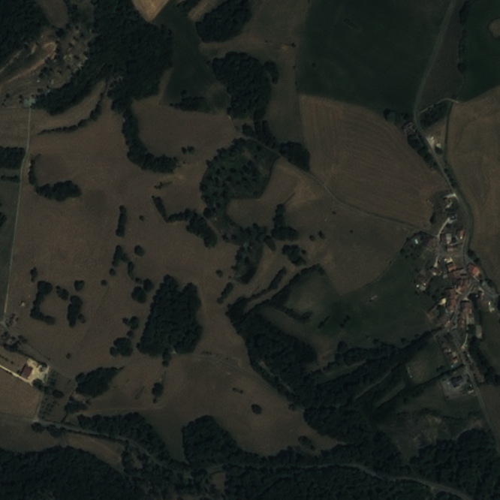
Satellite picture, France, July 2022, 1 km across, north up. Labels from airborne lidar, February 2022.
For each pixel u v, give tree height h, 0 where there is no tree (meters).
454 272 0
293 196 0
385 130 0
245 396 0
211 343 0
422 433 0
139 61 21
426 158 15
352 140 0
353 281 0
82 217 0
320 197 0
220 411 0
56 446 0
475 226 0
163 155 0
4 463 11
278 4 0
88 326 0
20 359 0
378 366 14
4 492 24
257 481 24
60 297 7
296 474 20
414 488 18
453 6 0
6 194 0
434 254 0
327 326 0
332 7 0
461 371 0
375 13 0
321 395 28
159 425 0
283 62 0
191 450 26
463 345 0
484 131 0
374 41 0
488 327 0
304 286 0
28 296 0
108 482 24
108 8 22
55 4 0
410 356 9
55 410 0
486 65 0
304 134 0
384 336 0
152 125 0
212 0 0
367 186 0
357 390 22
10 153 9
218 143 0
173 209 0
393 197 0
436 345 0
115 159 0
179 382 0
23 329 0
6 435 0
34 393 0
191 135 0
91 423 21
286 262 0
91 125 0
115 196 0
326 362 0
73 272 0
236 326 15
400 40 0
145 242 0
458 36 0
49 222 0
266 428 0
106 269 0
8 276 0
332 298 0
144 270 0
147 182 0
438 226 0
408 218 0
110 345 0
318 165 0
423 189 0
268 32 0
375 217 0
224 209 28
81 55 0
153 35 21
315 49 0
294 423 0
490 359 0
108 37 21
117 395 0
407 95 0
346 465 0
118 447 0
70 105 11
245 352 0
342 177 0
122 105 20
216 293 0
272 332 13
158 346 21
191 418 0
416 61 0
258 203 0
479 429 0
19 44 17
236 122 0
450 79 0
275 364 29
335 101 0
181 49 0
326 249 0
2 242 0
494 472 22
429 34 0
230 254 0
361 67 0
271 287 10
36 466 20
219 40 18
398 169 0
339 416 25
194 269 0
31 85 0
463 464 26
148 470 22
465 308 0
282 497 23
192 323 21
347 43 0
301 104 0
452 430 0
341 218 0
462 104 0
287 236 20
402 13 0
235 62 19
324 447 0
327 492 23
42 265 0
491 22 0
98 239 0
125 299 0
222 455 28
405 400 11
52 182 0
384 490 25
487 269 0
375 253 0
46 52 0
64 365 0
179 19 0
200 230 19
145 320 0
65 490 22
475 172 0
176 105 6
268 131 12
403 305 0
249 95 25
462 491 22
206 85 0
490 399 0
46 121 0
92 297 0
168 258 0
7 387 0
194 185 0
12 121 0
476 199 0
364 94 0
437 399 0
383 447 25
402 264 0
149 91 19
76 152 0
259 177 25
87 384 21
